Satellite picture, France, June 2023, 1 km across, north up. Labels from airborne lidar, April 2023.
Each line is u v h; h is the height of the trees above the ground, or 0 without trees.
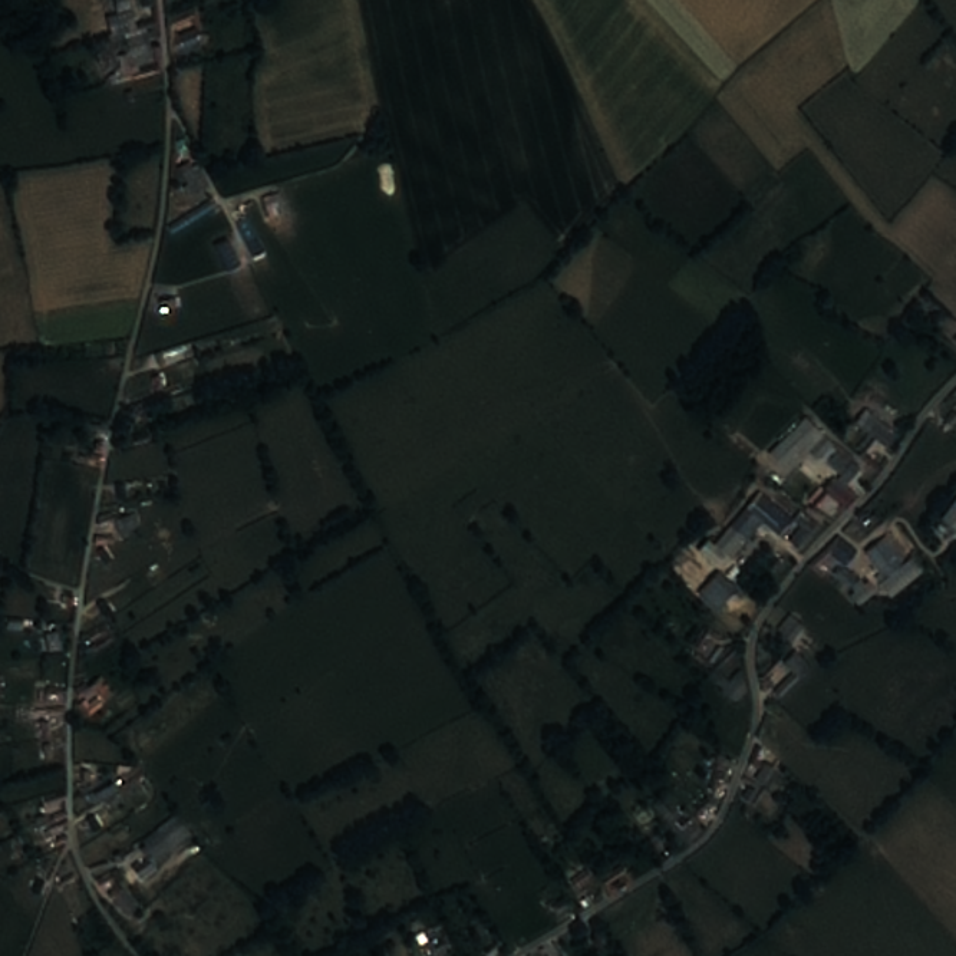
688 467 0
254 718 0
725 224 11
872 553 0
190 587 0
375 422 0
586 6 0
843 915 0
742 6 0
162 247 0
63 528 0
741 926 0
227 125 0
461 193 0
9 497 0
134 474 0
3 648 0
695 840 0
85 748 0
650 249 0
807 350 0
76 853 0
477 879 0
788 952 0
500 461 0
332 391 10
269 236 0
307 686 0
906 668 0
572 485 0
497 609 0
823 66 0
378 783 0
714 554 0
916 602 9
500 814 0
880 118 0
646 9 0
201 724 0
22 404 0
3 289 0
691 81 0
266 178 0
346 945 21
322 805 0
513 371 0
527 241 0
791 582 0
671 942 0
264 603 0
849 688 0
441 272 0
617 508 0
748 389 0
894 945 0
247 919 0
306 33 0
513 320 0
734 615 0
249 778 0
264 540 0
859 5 0
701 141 0
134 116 0
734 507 0
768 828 6
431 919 0
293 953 14
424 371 0
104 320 0
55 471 0
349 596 0
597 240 0
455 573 0
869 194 0
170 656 0
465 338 0
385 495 0
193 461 0
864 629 0
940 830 0
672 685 0
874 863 0
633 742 15
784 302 0
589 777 0
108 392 0
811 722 0
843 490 0
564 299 9
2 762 0
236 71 0
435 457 0
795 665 0
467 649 0
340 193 0
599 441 0
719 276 0
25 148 0
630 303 0
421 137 0
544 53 0
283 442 0
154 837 0
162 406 10
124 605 0
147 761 0
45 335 0
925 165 0
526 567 0
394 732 0
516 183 0
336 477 0
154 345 0
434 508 0
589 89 0
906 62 0
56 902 0
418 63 0
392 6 0
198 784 0
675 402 0
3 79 0
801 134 0
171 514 0
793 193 0
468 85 0
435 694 0
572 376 0
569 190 0
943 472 0
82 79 13
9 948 0
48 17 28
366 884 0
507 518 15
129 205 0
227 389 19
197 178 0
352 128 0
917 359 0
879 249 0
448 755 0
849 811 0
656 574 15
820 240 0
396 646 0
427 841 0
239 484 0
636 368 0
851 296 0
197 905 0
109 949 0
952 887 0
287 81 0
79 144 0
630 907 0
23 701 0
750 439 0
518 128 0
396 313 0
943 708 0
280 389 8
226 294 0
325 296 0
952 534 0
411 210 0
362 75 0
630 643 0
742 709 0
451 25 0
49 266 0
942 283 0
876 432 0
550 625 0
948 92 0
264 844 0
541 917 0
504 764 0
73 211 0
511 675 0
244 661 0
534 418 0
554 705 0
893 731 0
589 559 0
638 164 0
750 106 0
